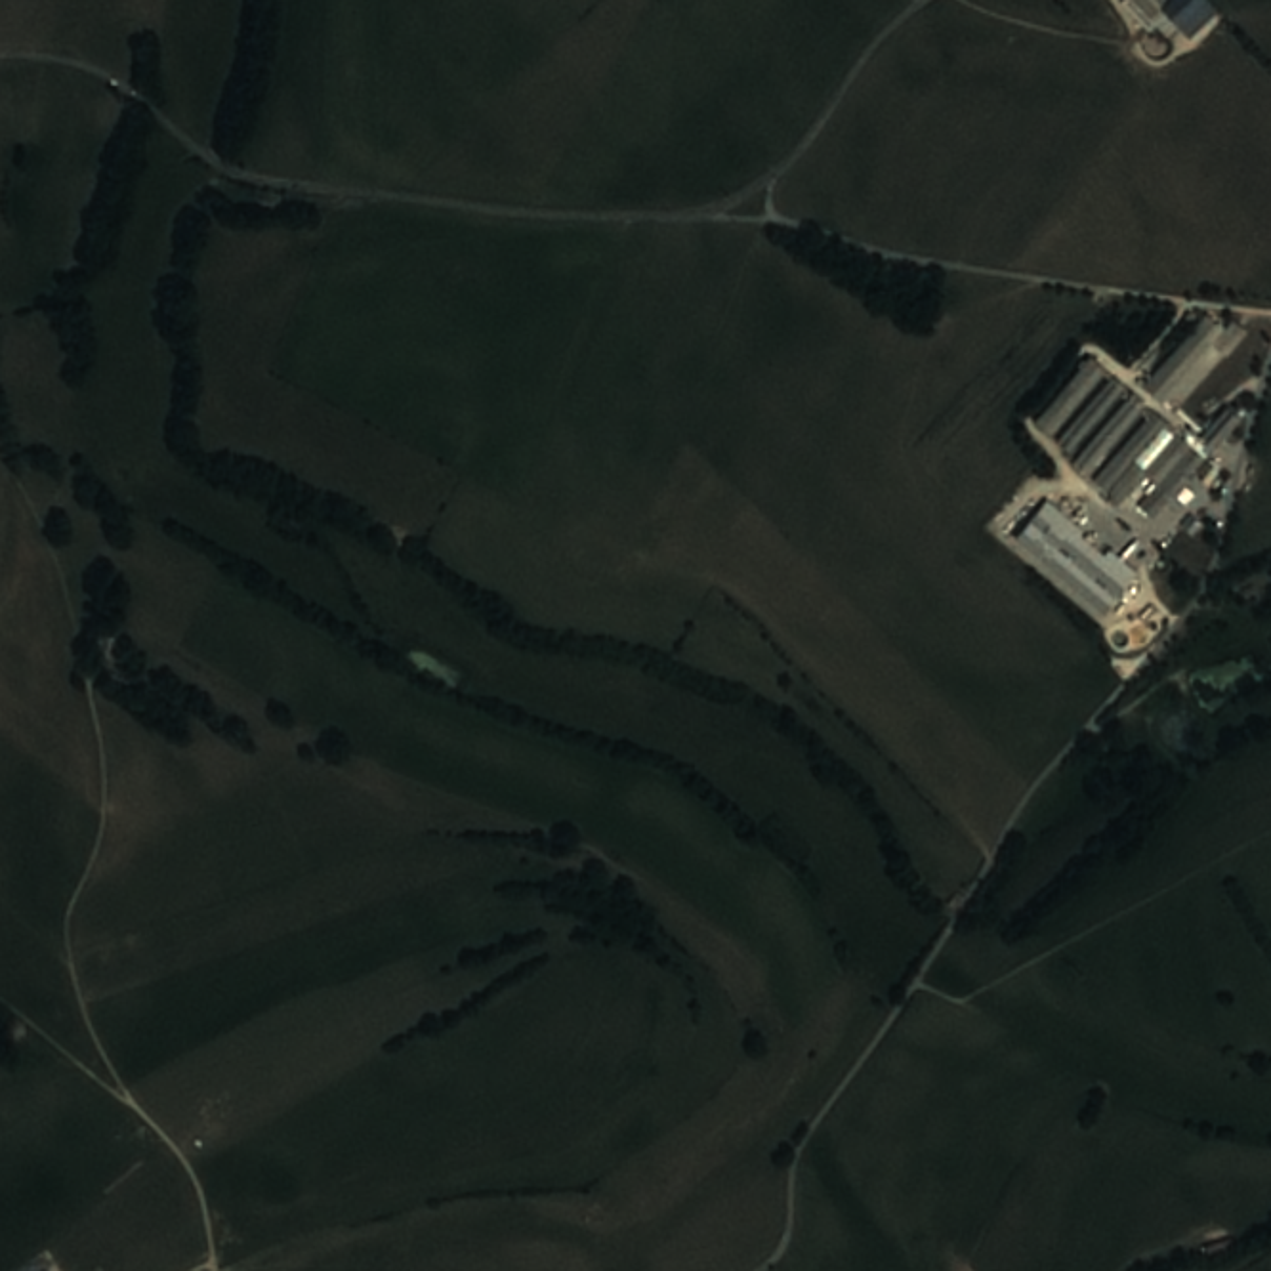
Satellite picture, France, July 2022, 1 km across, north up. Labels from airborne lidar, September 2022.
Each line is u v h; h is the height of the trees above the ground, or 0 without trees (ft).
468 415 0
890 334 0
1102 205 0
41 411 0
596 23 0
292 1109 0
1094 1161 0
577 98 0
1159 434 0
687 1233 0
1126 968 0
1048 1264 0
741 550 0
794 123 0
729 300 0
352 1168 0
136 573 0
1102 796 89
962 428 0
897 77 0
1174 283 0
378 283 0
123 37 0
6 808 0
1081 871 53
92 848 0
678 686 23
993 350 0
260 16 61
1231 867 0
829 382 0
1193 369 0
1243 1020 0
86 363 65
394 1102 0
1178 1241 0
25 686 0
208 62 0
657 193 0
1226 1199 0
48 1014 0
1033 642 0
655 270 0
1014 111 0
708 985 0
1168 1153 0
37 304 25
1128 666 0
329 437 0
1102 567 0
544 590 0
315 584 0
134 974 0
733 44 0
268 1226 0
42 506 0
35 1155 0
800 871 23
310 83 0
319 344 0
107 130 0
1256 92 0
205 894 0
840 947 24
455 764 0
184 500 0
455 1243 0
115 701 33
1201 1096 0
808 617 0
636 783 0
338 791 0
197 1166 0
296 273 0
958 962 0
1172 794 31
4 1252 0
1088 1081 0
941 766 0
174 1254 0
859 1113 0
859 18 0
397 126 0
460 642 0
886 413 0
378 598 0
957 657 0
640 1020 0
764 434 0
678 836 0
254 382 0
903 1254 0
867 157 0
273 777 0
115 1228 0
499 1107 0
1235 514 29
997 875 23
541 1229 0
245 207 32
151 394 0
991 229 0
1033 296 0
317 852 0
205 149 0
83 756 0
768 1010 0
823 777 56
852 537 0
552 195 0
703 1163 0
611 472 0
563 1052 0
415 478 0
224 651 0
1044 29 0
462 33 0
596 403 0
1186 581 48
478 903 0
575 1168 0
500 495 0
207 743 0
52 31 0
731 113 0
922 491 0
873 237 0
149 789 0
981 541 0
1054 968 0
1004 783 0
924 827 0
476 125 0
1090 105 0
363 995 0
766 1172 0
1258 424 23
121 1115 0
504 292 0
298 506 74
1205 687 0
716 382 0
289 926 0
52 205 0
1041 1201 0
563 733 26
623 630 0
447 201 0
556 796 0
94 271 47
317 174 0
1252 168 0
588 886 32
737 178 0
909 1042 0
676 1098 0
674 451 0
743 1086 0
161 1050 0
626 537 0
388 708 0
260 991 0
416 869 0
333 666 0
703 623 0
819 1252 0
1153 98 0
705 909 0
